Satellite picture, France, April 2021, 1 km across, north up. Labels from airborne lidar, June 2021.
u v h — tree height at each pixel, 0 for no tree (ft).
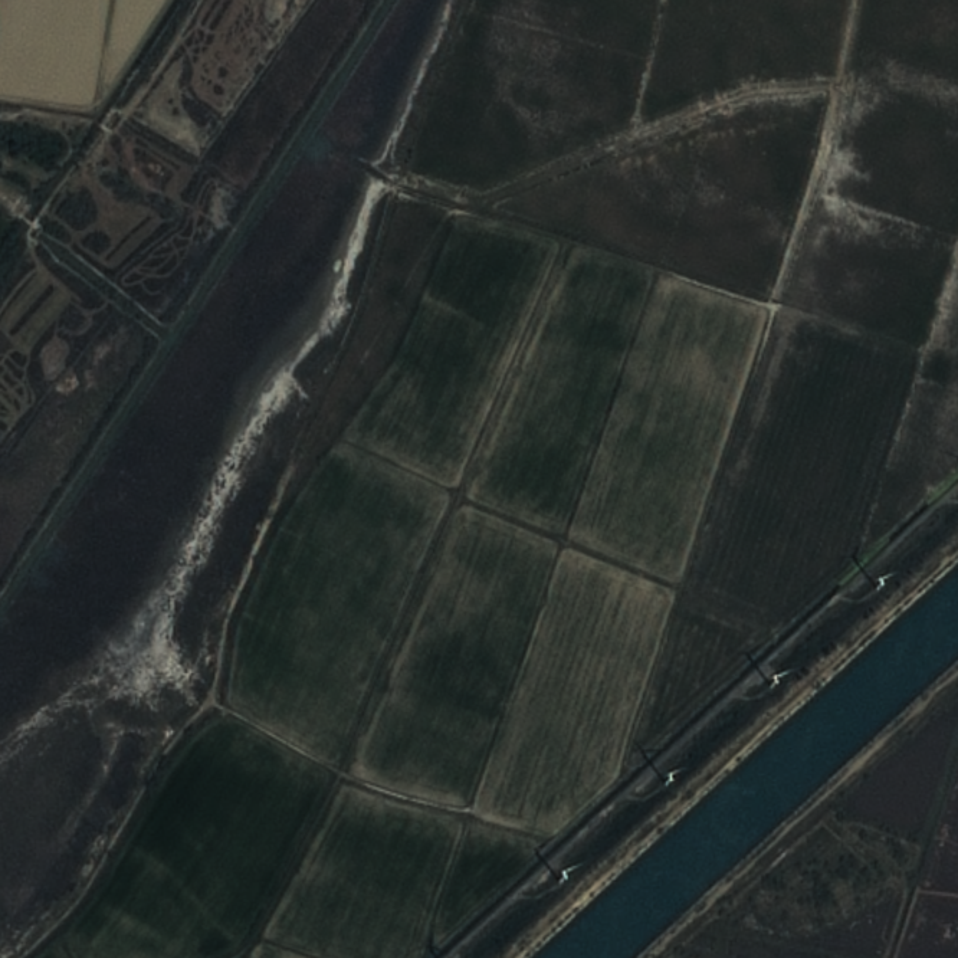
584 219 0
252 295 0
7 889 0
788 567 0
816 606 0
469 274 0
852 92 0
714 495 0
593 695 0
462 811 0
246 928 0
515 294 0
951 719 0
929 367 0
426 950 0
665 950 0
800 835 0
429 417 0
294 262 0
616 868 0
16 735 0
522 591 0
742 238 0
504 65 0
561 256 0
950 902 0
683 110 0
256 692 0
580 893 0
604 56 0
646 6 0
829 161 0
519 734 0
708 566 0
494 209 0
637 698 0
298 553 0
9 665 0
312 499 0
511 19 0
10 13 0
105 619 0
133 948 0
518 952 0
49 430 0
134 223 0
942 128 0
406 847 0
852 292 0
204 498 0
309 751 0
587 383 0
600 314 0
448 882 0
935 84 0
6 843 0
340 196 0
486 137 0
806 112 0
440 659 0
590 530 0
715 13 0
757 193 0
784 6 0
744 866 0
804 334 0
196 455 0
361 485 0
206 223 0
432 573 0
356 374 0
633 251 0
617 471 0
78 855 0
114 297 21
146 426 0
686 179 0
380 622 0
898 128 0
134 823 0
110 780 0
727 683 0
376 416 0
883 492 0
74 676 0
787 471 0
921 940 0
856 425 0
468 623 0
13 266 21
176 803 0
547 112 0
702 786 0
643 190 0
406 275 0
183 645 0
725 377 0
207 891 0
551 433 0
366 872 0
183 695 0
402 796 0
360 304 0
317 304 0
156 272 0
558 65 0
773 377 0
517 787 0
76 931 0
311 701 0
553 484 0
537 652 0
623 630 0
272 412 0
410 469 0
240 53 0
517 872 0
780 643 0
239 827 0
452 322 0
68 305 0
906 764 0
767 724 0
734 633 0
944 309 0
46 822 0
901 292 0
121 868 0
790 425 0
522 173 0
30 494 0
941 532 0
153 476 0
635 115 0
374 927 0
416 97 0
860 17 0
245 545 0
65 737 0
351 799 0
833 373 0
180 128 0
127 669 0
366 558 0
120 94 0
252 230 0
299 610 0
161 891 0
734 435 0
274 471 0
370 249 0
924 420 0
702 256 0
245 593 0
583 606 0
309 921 0
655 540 0
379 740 0
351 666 0
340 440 0
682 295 0
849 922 0
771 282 0
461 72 0
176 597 0
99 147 0
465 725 0
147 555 0
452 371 0
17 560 22
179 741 0
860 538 0
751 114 0
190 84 0
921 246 0
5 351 0
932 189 0
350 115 0
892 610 0
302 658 0
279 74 0
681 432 0
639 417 0
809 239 0
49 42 0
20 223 22
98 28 0
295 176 0
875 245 0
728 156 0
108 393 0
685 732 0
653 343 0
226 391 0
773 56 0
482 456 0
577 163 0
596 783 0
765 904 0
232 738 0
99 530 0
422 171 0
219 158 0
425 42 0
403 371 0
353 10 0
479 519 0
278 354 0
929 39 0
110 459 0
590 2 0
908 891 0
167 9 0
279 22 0
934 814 0
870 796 0
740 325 0
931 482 0
